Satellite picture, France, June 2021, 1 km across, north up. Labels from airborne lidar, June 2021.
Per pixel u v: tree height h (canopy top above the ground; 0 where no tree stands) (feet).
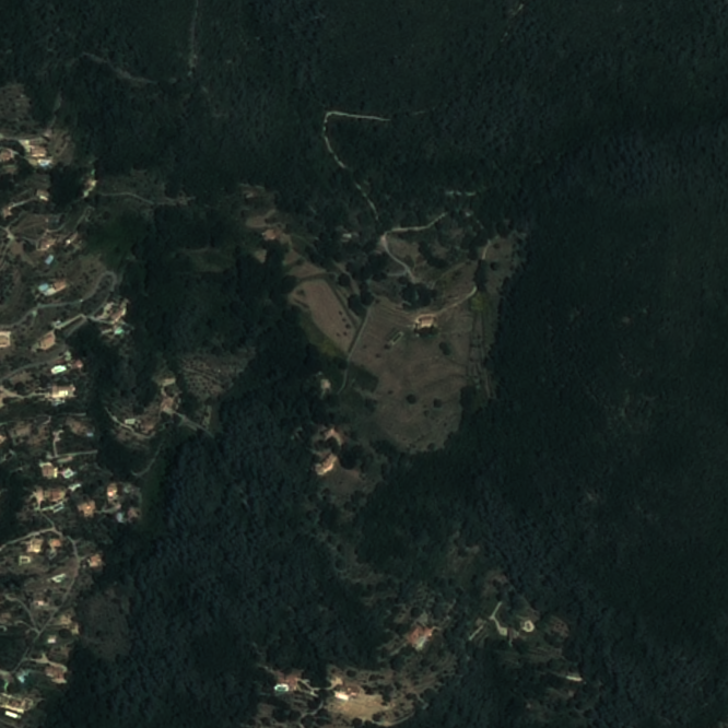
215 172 43
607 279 26
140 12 24
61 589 24
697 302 31
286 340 51
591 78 28
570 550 38
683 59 72
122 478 25
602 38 30
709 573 29
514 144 46
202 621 72
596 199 26
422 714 53
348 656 56
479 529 61
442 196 20
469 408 35
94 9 38
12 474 31
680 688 78
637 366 31
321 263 35
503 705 60
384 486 41
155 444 27
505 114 53
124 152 50
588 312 27
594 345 30
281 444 58
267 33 26
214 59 28
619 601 49
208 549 64
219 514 47
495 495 45
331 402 39
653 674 45
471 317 0
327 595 34
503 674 66
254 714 30
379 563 36
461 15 26
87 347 27
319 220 38
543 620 41
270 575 79
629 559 31
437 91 34
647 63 38
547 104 39
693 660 64
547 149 55
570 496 37
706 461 25
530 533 64
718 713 42
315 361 42
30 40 47
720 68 41
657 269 23
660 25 39
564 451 29
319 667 41
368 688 33
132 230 26
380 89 26
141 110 31
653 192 43
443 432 0
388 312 0
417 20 23
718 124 47
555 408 29
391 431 0
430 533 55
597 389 27
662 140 50
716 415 41
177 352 51
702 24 53
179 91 37
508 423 34
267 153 33
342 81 27
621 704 52
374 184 43
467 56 28
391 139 27
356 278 42
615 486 31
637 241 24
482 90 58
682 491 27
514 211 40
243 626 68
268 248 39
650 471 30
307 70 23
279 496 60
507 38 19
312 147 54
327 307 0
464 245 33
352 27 20
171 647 73
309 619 67
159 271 59
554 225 29
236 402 50
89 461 24
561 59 74
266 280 54
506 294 44
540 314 36
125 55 23
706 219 29
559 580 57
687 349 31
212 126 37
